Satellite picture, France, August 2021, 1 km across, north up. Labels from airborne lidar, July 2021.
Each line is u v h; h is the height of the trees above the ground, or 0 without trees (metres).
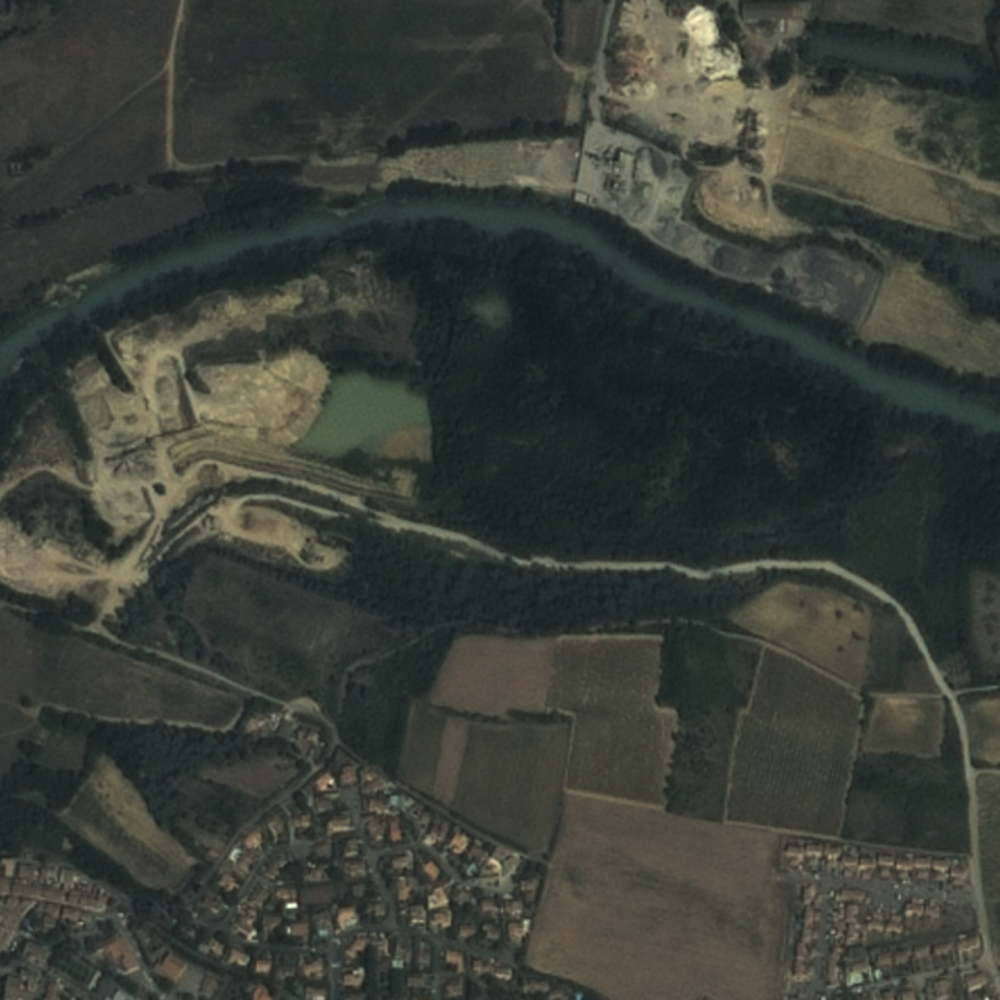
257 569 9
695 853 0
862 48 0
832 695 0
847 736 0
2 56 0
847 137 0
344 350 8
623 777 0
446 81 0
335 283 0
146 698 0
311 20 0
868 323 0
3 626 0
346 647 0
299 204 11
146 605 13
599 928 0
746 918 0
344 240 10
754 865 0
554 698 0
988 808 0
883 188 0
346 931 0
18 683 0
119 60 0
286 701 0
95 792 0
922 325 0
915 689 0
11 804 10
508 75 0
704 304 0
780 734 0
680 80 0
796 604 0
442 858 0
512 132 11
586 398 8
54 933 12
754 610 0
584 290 25
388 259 7
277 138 0
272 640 0
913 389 0
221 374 0
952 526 10
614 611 12
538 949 0
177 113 0
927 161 0
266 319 0
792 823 0
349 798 0
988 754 0
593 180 0
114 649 8
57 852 0
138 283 0
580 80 0
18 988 0
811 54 18
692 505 6
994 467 14
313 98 0
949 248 18
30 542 0
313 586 14
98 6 0
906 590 7
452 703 0
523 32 0
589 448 6
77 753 0
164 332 0
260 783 0
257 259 21
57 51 0
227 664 7
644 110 0
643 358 6
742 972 0
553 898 0
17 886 0
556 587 18
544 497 6
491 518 12
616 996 0
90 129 0
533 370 7
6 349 0
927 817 0
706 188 0
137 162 0
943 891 0
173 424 0
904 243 11
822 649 0
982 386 20
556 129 11
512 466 7
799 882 0
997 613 0
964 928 0
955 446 12
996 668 0
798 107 0
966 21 0
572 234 0
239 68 0
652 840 0
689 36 0
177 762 18
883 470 9
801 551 8
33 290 10
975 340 0
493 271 14
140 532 0
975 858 0
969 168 0
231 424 0
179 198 0
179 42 0
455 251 17
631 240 19
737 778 0
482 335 10
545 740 0
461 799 0
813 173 0
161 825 17
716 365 15
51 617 14
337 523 6
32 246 0
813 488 6
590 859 0
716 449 6
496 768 0
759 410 13
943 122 0
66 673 0
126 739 14
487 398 10
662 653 6
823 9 0
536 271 12
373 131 0
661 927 0
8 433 11
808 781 0
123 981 9
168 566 7
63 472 0
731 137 0
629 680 0
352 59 0
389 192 14
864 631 0
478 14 0
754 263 0
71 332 19
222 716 0
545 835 0
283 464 0
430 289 9
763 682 0
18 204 0
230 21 0
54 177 0
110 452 0
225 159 0
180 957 7
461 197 17
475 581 8
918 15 0
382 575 7
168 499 0
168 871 0
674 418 8
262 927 7
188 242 16
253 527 0
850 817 0
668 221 0
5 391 9
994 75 12
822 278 0
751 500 6
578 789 0
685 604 7
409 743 0
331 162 0
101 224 0
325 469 0
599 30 0
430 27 0
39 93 0
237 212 13
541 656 0
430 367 12
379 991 11
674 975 0
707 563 12
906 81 10
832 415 12
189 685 0
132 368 0
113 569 0
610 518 7
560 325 8
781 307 15
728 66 0
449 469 9
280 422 0
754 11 0
